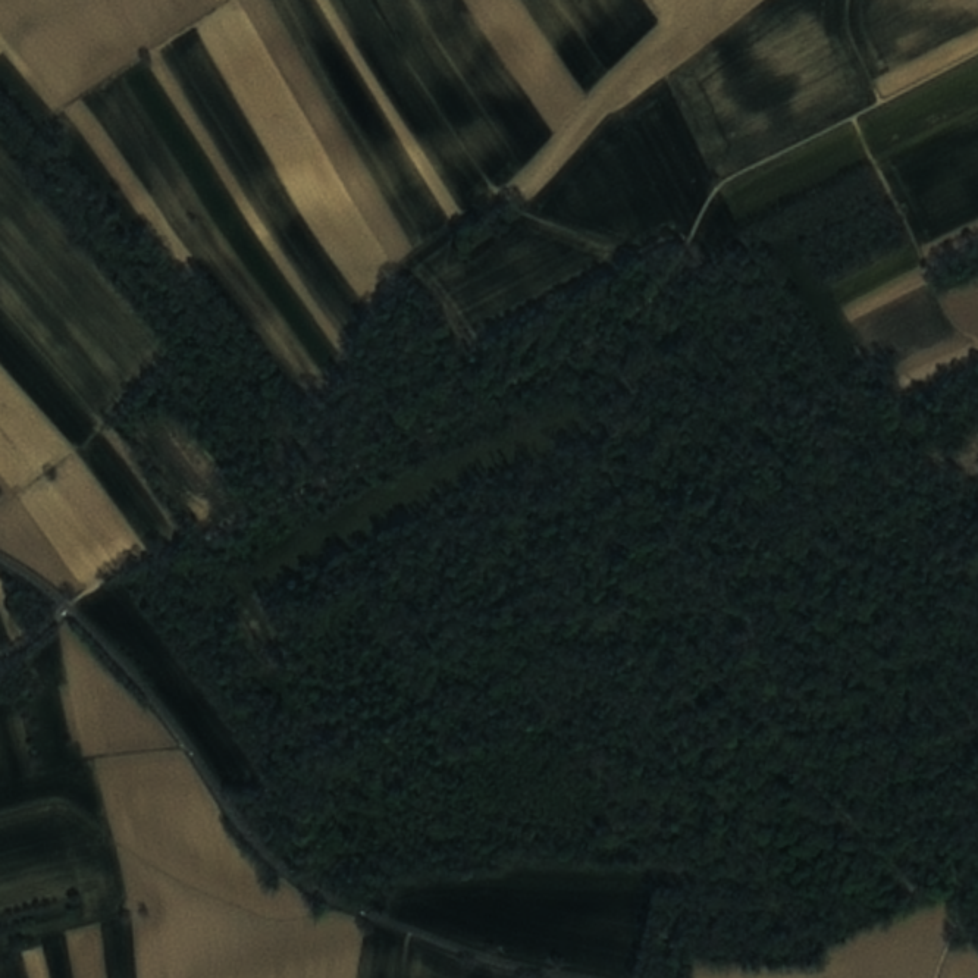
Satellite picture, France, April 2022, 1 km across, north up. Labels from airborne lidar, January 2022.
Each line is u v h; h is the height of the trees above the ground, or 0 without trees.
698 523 33
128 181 0
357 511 0
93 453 0
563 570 33
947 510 28
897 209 24
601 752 33
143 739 0
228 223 0
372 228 0
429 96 0
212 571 22
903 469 36
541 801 21
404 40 0
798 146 0
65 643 0
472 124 0
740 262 27
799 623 28
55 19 0
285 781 27
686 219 0
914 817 30
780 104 0
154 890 0
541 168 0
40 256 0
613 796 23
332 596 31
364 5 0
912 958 0
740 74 0
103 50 0
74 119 0
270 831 24
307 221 0
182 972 0
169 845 0
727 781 31
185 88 0
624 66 0
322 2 0
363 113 0
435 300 20
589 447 34
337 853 31
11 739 0
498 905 0
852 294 0
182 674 0
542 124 0
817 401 29
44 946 0
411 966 0
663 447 36
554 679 34
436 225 0
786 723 27
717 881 28
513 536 33
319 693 29
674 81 0
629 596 33
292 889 0
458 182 0
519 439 0
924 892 30
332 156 0
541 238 0
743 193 0
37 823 0
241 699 30
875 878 30
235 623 29
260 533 24
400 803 21
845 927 28
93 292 0
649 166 0
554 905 0
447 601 35
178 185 0
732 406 38
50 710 0
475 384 24
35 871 0
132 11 0
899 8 0
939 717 30
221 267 0
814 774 30
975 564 30
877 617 22
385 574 29
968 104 0
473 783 20
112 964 0
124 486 0
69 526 0
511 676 31
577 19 0
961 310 0
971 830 34
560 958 11
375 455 25
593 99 0
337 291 0
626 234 0
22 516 0
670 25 0
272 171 0
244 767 0
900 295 0
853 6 0
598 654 37
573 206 0
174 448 0
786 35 0
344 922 0
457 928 0
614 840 31
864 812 31
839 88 0
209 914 0
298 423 37
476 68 0
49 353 0
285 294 0
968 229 0
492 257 0
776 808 27
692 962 23
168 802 0
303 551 0
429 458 29
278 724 33
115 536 0
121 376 0
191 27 0
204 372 29
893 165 0
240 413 33
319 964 0
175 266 25
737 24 0
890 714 31
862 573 32
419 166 0
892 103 0
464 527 37
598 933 0
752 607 36
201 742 0
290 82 0
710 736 24
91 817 0
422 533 33
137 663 7
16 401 0
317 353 0
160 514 0
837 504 31
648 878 0
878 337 0
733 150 0
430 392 28
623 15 0
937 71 0
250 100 0
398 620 29
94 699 0
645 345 32
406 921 0
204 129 0
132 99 0
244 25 0
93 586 0
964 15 0
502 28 0
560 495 37
